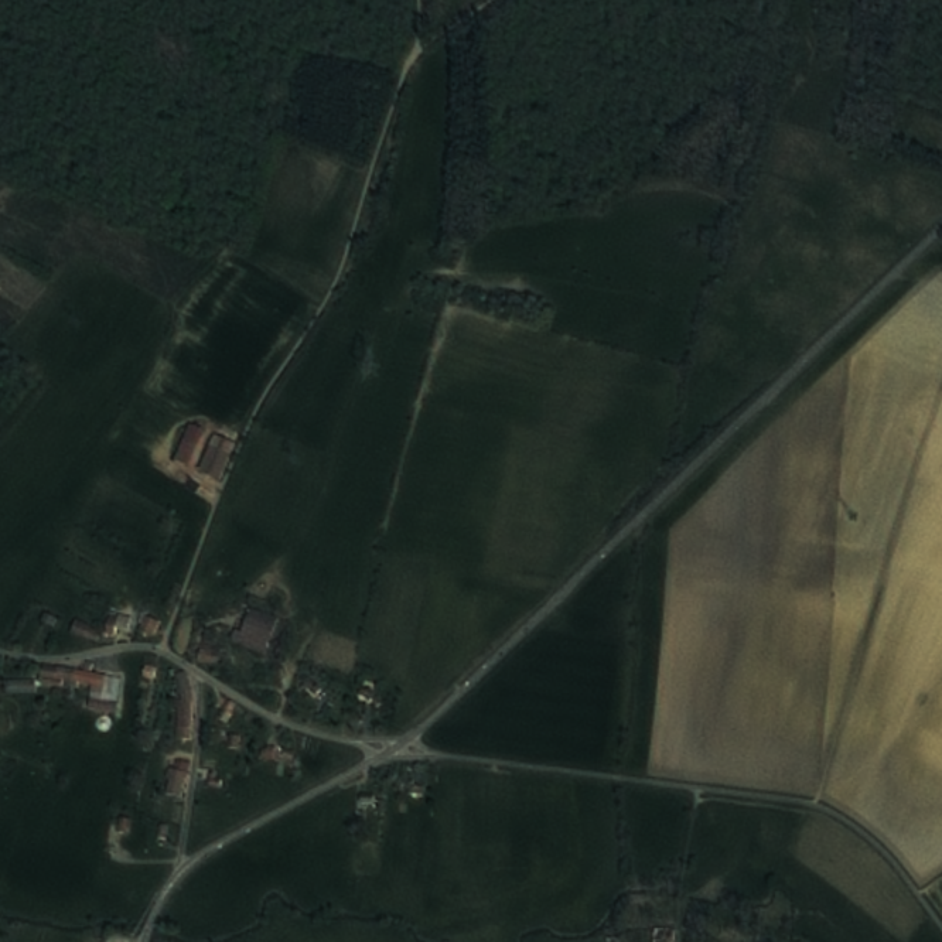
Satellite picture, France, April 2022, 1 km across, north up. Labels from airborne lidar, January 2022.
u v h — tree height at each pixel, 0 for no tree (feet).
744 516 0
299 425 0
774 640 0
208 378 0
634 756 0
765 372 0
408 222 0
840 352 0
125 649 0
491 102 76
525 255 0
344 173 0
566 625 0
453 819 0
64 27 58
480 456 0
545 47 79
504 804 0
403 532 0
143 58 82
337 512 0
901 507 0
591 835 0
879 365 0
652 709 0
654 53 81
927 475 0
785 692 0
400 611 0
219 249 69
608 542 0
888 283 0
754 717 0
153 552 0
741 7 81
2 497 0
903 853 0
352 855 0
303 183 0
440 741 0
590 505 0
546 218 57
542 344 0
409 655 0
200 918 0
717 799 0
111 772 0
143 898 0
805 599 0
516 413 0
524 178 82
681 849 0
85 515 0
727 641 0
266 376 0
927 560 0
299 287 0
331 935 0
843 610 0
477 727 0
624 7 82
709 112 72
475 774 0
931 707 0
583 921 0
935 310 0
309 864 0
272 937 0
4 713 0
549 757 0
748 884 0
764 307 0
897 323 0
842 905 0
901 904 0
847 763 0
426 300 23
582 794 0
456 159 66
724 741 0
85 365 0
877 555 0
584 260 0
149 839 0
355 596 0
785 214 0
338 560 0
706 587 0
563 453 0
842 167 0
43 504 0
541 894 0
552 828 0
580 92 85
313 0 69
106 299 0
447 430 0
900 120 62
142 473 0
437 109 0
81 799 0
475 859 0
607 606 0
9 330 19
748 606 0
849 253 0
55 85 66
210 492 0
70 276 0
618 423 0
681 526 0
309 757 0
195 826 0
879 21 63
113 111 81
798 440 0
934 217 0
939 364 0
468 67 66
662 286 0
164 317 0
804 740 0
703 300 43
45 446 0
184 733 0
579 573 0
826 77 0
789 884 0
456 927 0
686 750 0
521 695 0
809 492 0
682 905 83
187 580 0
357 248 44
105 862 0
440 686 0
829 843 0
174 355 0
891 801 0
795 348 0
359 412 0
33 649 0
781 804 0
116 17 60
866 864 0
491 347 0
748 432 0
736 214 58
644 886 0
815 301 0
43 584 0
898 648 0
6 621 0
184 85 80
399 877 0
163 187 85
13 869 0
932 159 51
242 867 0
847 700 0
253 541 0
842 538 0
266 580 0
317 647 0
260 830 0
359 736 0
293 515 0
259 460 0
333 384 0
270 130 74
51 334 0
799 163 0
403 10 77
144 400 0
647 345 0
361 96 61
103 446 0
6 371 81
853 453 0
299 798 0
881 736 0
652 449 0
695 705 0
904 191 0
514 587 0
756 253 0
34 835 0
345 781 0
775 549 0
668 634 0
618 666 0
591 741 0
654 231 0
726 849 0
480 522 0
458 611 0
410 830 0
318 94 63
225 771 0
